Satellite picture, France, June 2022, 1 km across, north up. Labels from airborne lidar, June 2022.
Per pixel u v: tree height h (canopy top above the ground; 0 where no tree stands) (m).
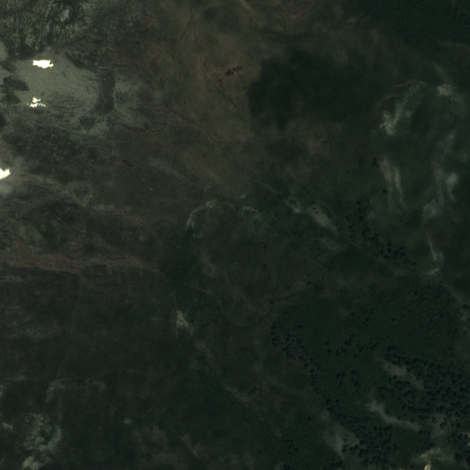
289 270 0
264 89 0
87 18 0
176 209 0
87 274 0
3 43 0
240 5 0
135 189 0
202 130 0
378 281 0
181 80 0
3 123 0
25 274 0
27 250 0
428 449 7
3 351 0
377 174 0
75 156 0
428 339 7
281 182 0
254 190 0
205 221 0
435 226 0
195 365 0
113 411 0
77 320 0
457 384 26
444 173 0
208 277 0
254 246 0
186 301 0
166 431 0
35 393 0
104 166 0
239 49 0
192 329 0
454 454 0
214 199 0
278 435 0
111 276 0
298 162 0
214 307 0
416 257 0
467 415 25
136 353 0
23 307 0
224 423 0
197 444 0
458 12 10
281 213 0
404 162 0
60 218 0
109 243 0
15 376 0
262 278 0
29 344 0
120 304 0
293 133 0
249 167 0
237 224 0
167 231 0
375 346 15
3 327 0
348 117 0
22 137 0
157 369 0
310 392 0
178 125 0
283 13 0
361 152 0
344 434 0
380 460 21
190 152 0
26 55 0
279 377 0
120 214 0
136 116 0
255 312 0
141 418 0
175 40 0
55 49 0
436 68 0
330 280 0
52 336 0
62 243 0
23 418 0
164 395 0
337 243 0
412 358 9
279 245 0
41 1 0
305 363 10
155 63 0
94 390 0
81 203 0
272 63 0
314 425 0
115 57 0
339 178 0
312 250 7
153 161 0
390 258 19
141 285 0
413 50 0
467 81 0
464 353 0
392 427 15
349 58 0
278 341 10
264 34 0
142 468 0
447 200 0
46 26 0
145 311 0
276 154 0
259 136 0
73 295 0
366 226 10
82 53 0
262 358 0
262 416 0
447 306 5
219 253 0
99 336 0
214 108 0
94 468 0
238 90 0
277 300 0
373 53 0
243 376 0
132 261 0
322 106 0
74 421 0
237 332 0
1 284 0
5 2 0
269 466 0
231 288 0
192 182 0
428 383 8
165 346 0
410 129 0
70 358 0
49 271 0
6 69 0
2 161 0
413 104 0
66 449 0
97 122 0
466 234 0
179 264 0
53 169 0
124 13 0
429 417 20
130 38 0
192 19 0
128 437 0
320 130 0
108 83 0
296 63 0
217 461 0
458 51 0
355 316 12
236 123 0
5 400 0
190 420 0
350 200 0
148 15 0
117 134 0
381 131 0
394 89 0
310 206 0
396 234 0
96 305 0
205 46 0
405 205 0
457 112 0
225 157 0
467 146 0
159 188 0
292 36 0
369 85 0
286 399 0
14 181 0
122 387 0
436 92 0
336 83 0
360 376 13
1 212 0
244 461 0
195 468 0
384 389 17
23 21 0
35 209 0
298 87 0
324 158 0
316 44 0
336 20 0
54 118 0
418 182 0
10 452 0
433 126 0
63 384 0
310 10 0
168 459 0
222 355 0
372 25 0
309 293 0
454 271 0
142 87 0
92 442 0
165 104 0
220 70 0
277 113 0
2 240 0
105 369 0
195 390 0
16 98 0
